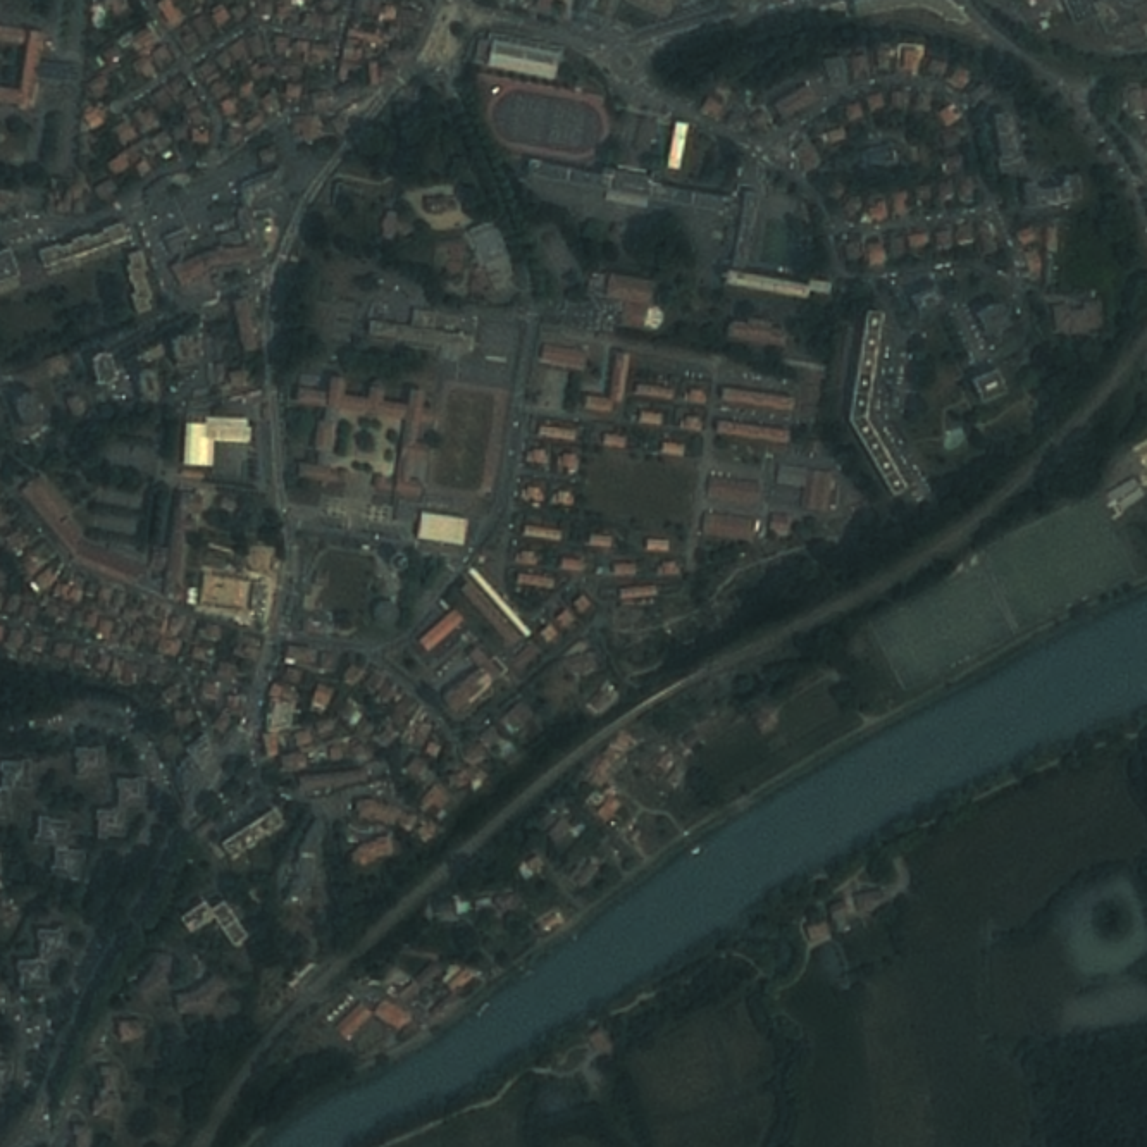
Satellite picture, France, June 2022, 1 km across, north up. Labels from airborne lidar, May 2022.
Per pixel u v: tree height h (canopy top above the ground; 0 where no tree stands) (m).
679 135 0
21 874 18
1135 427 18
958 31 0
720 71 18
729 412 0
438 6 0
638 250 23
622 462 0
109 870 19
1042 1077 18
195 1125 22
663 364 0
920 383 26
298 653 0
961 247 8
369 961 11
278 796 13
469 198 29
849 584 13
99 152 8
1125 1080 15
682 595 0
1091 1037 13
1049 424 24
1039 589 0
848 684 10
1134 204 8
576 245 8
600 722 8
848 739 0
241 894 18
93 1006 21
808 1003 0
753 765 0
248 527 13
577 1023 16
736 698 13
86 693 25
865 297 19
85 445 19
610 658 6
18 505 6
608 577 0
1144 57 9
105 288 20
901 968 0
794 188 11
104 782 0
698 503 0
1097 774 0
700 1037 0
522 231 16
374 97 0
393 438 10
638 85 0
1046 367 14
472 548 0
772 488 0
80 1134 0
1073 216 7
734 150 30
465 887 21
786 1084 15
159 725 13
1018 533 0
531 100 0
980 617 0
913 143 9
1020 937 9
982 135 14
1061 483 17
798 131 0
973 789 15
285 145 0
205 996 0
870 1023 0
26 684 21
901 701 0
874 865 21
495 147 18
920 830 12
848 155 13
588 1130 7
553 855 12
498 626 0
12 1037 14
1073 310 0
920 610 0
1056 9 0
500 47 0
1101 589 0
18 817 0
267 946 29
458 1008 0
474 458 0
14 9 0
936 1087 0
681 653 14
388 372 20
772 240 0
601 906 0
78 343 16
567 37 0
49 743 14
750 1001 8
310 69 10
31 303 10
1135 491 0
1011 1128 0
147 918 23
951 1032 0
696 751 11
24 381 0
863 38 19
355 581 0
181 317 7
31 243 0
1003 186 16
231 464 0
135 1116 9
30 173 15
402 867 10
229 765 12
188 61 0
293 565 0
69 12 8
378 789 0
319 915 23
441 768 9
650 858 0
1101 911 6
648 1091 0
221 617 31
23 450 18
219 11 0
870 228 0
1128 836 0
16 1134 0
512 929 14
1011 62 23
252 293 0
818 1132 0
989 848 0
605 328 0
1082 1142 19
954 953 0
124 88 6
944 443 0
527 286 0
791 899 18
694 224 0
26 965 0
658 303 6
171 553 0
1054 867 0
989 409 6
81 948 14
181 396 0
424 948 25
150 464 0
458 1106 14
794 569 18
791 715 0
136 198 0
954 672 0
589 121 0
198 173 9
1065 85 0
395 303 0
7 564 16
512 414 0
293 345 21
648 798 0
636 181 0
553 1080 7
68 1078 22
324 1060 17
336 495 0
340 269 0
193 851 23
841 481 0
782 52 24
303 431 15
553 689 0
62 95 0
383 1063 10
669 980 10
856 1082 0
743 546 9
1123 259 10
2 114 0
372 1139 14
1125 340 12
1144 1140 18
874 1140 0
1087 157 0
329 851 12
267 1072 8
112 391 0
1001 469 15
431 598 0
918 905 0
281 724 0
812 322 12
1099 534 0
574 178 0
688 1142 0
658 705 7
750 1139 0
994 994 0
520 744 8
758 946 15
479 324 0
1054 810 0
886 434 0
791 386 0
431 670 0
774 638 0
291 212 0
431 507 0
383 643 0
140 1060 0
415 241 11
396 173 21
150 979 0
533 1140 8
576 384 8
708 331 9
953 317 13
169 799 21
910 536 22
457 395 0
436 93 15
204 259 0
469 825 9
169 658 6
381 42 0
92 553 0
